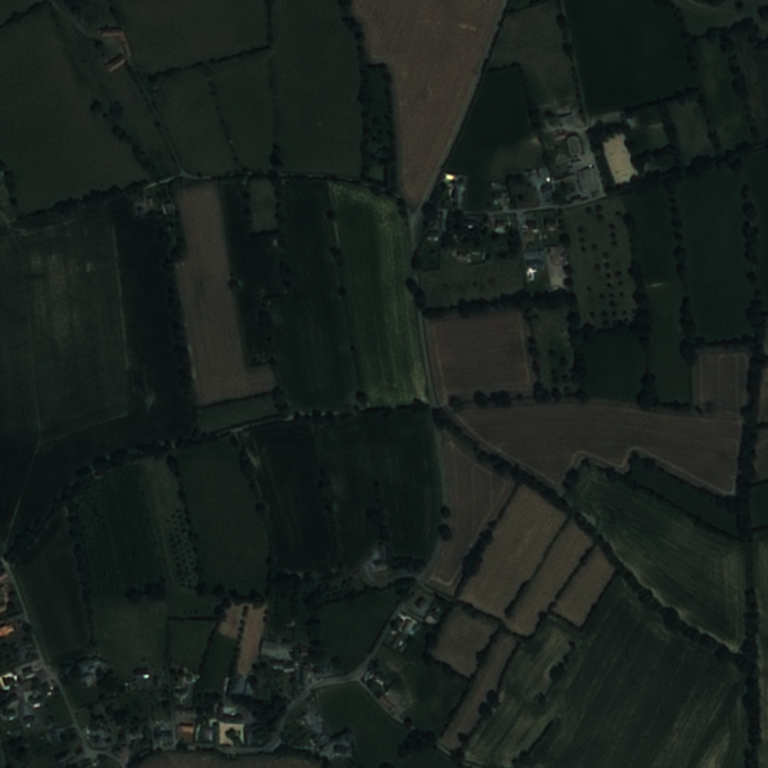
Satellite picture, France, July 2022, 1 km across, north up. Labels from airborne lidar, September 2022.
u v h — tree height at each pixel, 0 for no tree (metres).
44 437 0
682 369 0
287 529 0
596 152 13
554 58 0
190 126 0
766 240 0
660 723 0
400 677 0
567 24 15
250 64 0
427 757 0
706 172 13
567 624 6
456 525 0
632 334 10
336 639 0
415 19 0
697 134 0
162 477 0
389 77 12
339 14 0
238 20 0
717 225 0
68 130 0
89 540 7
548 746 0
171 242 9
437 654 0
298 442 0
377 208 0
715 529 10
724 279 0
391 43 0
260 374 0
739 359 0
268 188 0
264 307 8
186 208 0
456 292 0
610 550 16
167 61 0
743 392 0
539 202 0
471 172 0
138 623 0
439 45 0
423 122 0
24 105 0
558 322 0
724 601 0
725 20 0
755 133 10
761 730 12
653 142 0
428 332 0
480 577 0
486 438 0
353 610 0
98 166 0
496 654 0
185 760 0
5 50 0
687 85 0
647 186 14
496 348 0
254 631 0
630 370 0
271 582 14
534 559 0
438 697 0
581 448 0
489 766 0
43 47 0
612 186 8
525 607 0
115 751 7
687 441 0
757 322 19
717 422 0
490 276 0
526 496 0
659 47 0
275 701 14
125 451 10
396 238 0
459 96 0
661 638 0
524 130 0
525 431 0
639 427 0
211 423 0
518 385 0
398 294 0
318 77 0
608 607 0
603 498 0
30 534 15
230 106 0
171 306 13
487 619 7
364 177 9
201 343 0
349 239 0
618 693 0
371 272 0
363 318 0
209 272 0
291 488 0
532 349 13
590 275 0
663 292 0
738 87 14
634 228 9
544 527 0
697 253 0
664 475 6
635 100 0
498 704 14
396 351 0
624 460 0
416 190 0
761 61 0
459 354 0
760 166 0
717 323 0
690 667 0
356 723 0
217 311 0
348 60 0
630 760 0
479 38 0
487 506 0
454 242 11
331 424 13
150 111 7
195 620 6
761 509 0
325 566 0
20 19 11
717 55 0
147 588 6
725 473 0
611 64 0
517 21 0
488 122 0
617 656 0
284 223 7
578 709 0
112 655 0
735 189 0
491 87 0
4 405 0
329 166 0
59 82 0
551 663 0
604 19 0
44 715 0
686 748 0
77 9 8
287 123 0
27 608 0
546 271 0
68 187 0
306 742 0
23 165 0
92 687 0
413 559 7
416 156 0
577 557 0
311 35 0
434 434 0
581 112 6
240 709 0
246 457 11
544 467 0
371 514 17
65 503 12
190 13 0
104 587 6
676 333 0
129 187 5
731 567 0
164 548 0
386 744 0
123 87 0
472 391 0
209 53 0
